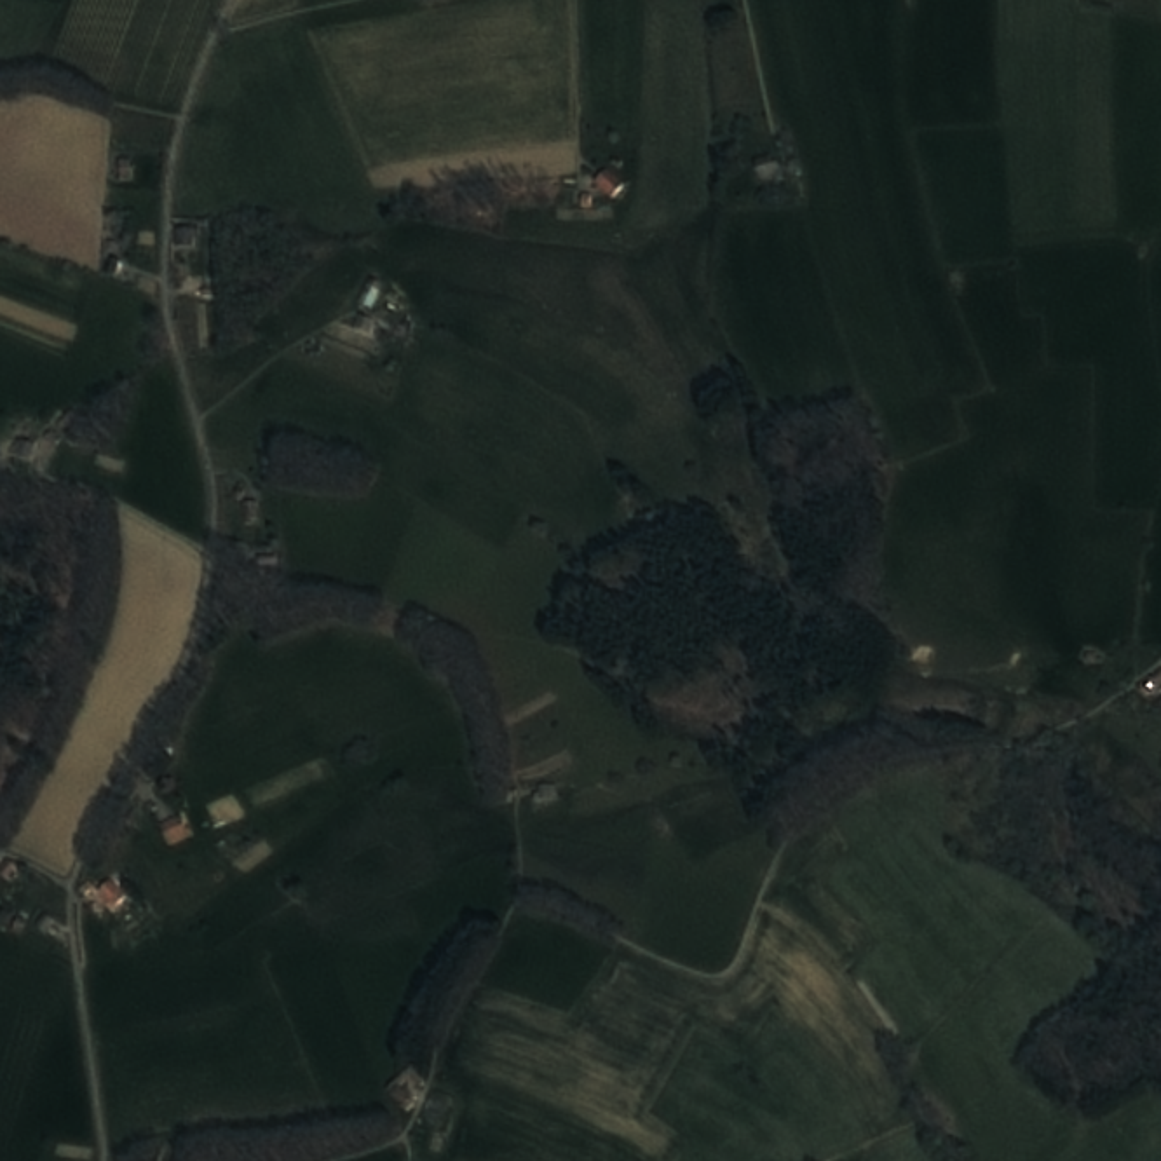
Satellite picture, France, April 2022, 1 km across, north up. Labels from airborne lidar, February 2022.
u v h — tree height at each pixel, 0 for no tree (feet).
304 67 0
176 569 0
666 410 0
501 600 0
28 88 74
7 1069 0
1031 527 0
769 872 0
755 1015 0
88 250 0
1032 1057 73
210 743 0
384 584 0
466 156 0
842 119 0
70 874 0
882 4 0
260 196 0
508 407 0
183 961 0
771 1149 0
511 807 0
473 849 0
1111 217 0
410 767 0
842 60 0
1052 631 0
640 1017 0
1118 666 0
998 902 0
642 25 0
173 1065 0
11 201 0
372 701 0
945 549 0
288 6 0
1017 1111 0
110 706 0
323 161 0
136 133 0
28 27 0
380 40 0
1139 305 0
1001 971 0
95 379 0
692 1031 0
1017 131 0
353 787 0
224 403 0
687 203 0
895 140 0
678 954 0
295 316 0
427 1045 84
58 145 0
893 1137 0
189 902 0
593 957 0
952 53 0
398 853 0
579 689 0
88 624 82
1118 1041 90
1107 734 0
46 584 50
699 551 84
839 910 0
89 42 0
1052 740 46
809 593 83
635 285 0
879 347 0
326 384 0
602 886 0
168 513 0
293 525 0
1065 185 0
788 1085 0
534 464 0
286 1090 0
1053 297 0
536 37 0
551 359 0
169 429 0
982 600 0
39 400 0
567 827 0
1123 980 70
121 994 0
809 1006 0
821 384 0
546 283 0
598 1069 0
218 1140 74
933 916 0
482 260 0
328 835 0
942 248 0
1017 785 18
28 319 0
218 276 41
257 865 0
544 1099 0
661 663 91
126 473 0
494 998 0
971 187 0
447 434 0
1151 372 0
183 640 0
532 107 0
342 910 0
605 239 0
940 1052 0
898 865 0
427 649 88
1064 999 0
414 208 62
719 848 0
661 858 0
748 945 0
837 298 0
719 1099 0
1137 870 77
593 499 0
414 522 0
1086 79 0
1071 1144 0
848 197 0
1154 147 0
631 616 96
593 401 0
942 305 0
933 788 0
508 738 77
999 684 0
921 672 0
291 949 0
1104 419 0
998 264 0
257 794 0
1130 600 0
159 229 0
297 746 0
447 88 0
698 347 0
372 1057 0
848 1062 0
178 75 0
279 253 65
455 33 0
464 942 60
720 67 0
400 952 0
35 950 0
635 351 0
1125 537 0
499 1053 0
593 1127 0
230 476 0
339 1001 0
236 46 0
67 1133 0
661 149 0
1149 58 0
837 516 73
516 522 0
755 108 0
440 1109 0
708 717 0
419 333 0
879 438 63
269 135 0
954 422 0
